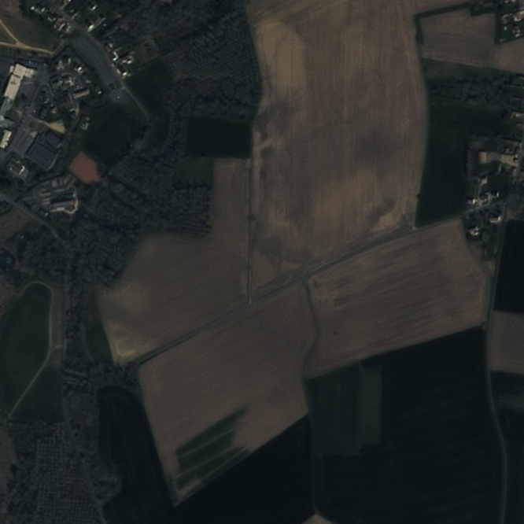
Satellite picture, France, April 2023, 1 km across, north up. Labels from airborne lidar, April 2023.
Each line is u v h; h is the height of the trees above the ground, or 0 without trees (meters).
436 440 0
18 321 0
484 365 0
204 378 0
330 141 0
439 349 0
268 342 0
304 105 0
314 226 0
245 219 0
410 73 0
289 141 0
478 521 0
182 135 15
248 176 0
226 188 0
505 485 0
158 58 0
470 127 0
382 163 0
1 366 0
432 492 0
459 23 0
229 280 0
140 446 0
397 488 0
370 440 0
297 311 0
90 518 18
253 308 0
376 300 0
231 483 0
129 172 27
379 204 0
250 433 0
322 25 0
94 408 18
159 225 28
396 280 0
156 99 0
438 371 0
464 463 0
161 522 0
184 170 0
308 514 0
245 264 0
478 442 0
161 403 0
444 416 0
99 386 17
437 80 0
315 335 0
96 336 0
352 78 0
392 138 0
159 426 0
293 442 0
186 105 10
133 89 0
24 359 0
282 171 0
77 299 18
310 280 0
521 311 0
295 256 0
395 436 0
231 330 0
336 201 0
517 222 0
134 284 0
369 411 0
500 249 0
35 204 0
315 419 0
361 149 0
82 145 0
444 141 0
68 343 6
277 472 0
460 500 0
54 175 15
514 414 0
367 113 0
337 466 0
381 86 0
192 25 24
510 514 0
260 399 0
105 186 29
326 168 0
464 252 0
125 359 0
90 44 0
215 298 0
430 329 0
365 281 0
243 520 0
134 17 10
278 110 0
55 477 22
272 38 0
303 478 0
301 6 0
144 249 0
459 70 0
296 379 0
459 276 0
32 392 0
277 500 0
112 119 0
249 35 20
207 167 0
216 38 28
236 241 0
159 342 0
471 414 0
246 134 0
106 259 26
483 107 0
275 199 0
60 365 0
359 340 0
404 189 0
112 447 0
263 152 0
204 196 22
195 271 0
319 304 0
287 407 0
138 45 9
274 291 0
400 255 0
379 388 0
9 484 0
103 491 12
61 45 17
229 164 0
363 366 0
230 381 0
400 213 0
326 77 0
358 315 0
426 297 0
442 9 0
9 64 0
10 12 0
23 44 0
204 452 0
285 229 0
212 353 0
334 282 0
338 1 0
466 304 0
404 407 0
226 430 0
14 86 0
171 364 0
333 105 0
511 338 0
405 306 0
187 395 0
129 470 0
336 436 0
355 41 0
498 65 0
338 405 0
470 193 0
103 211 30
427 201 0
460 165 0
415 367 0
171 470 0
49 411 0
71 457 17
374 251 0
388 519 0
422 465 0
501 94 16
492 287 0
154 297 0
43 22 13
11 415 0
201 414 0
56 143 0
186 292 0
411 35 0
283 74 0
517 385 0
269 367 0
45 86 0
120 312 0
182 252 0
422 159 0
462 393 0
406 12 0
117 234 29
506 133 0
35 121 0
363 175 0
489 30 0
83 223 22
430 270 0
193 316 0
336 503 0
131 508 0
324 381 0
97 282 28
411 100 0
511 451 0
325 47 0
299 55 0
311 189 0
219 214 0
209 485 0
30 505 11
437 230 0
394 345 0
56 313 0
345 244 0
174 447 0
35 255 31
